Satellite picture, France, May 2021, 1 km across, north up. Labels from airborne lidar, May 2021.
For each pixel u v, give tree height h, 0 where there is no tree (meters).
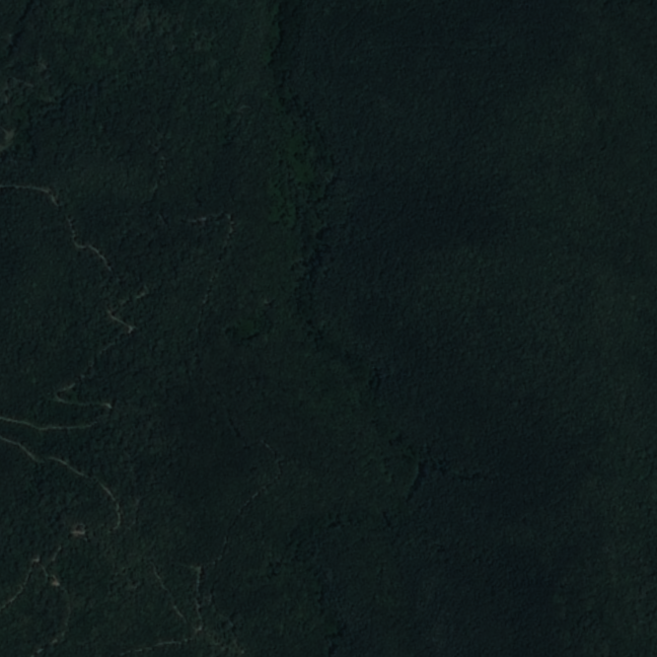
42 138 20
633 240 12
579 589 9
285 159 7
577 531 8
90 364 10
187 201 20
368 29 7
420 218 13
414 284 9
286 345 23
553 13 13
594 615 14
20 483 10
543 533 9
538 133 8
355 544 16
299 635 14
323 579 8
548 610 14
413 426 18
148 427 10
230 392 17
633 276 11
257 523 11
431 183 9
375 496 13
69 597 10
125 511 7
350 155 12
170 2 9
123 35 12
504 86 6
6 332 8
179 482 14
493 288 6
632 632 9
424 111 6
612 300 10
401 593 18
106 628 9
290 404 18
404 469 20
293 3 19
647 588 16
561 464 9
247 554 12
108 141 13
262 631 15
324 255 17
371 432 18
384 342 10
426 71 8
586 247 9
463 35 13
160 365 7
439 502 15
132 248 13
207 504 9
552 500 9
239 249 12
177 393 17
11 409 6
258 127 10
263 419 13
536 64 9
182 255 8
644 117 12
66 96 13
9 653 9
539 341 7
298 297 25
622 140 12
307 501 13
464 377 11
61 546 8
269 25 9
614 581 10
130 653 9
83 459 10
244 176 12
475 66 8
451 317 7
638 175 10
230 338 22
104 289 9
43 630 12
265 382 22
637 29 15
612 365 10
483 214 12
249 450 18
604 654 13
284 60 20
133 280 10
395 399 15
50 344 13
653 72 11
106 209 12
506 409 9
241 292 20
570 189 7
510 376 9
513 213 7
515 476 12
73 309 11
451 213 13
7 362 10
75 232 6
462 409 11
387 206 15
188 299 12
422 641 12
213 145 16
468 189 9
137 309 9
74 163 7
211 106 12
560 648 12
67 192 9
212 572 16
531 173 7
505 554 14
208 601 12
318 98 16
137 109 13
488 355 7
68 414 6
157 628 11
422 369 11
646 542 10
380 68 8
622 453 8
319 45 7
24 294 6
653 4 15
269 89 23
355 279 10
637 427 6
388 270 10
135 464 11
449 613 10
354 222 15
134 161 10
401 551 7
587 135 12
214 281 9
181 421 13
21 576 10
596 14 8
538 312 7
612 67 13
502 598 10
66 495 11
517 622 12
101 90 21
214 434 16
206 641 10
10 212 9
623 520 9
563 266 9
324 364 19
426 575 8
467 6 9
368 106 8
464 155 8
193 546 9
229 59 8
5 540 11
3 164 12
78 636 9
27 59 6
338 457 18
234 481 12
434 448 21
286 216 13
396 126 7
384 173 14
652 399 10
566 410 5
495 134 6
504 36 7
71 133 13
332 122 10
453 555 20
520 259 6
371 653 9
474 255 6
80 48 15
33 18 17
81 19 16
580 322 9
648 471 7
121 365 10
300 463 10
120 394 6
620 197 12
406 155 8
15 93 6
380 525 20
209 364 20
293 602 13
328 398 21
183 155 13
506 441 13
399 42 7
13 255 10
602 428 9
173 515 9
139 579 7
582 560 8
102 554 9
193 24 6
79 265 8
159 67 15
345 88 9
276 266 23
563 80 6
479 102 9
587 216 10
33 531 10
